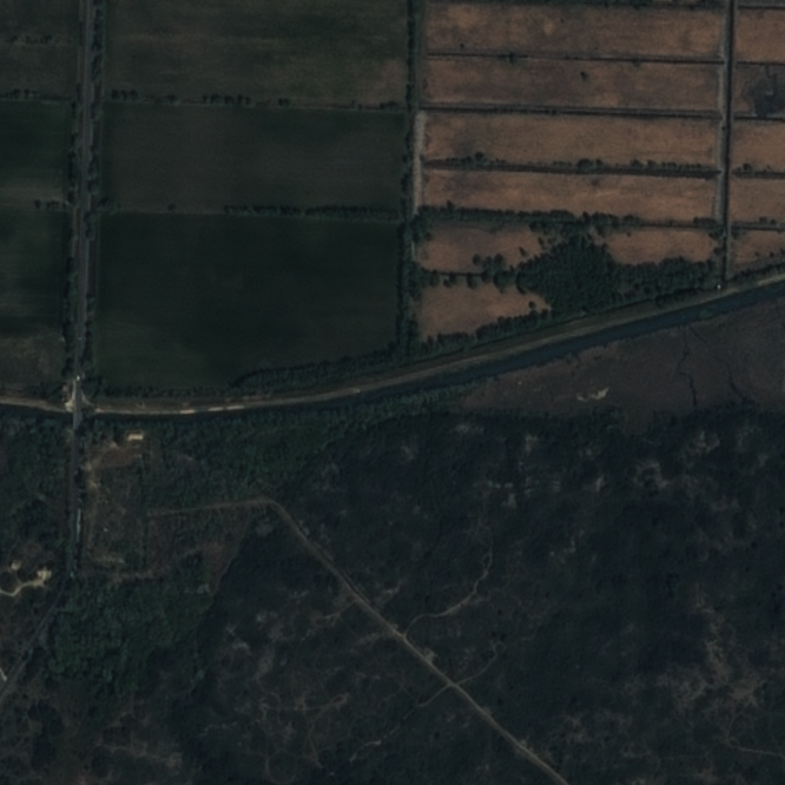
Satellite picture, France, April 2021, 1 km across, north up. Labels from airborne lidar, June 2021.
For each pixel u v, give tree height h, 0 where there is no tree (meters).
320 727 0
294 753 0
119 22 0
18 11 0
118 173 0
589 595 0
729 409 8
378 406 14
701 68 0
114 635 23
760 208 0
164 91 0
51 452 17
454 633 0
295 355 0
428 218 15
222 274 0
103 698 10
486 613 0
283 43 0
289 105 11
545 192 0
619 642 0
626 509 6
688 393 0
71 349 13
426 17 0
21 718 7
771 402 0
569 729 0
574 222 17
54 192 0
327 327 0
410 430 6
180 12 0
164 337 0
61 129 0
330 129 0
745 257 0
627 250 0
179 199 0
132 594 17
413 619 0
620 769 0
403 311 12
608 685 0
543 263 17
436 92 0
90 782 0
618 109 0
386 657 0
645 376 0
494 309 0
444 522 7
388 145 0
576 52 0
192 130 0
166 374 0
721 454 7
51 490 10
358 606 0
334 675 0
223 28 0
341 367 13
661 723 0
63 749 0
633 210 0
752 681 0
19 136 0
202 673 12
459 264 0
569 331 0
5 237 0
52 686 12
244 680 0
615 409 9
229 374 0
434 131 0
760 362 0
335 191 0
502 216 13
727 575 0
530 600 0
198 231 0
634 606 0
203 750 6
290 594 0
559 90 0
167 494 7
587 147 0
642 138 0
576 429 12
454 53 0
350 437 8
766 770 0
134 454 0
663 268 15
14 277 0
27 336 0
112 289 0
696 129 0
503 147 0
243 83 0
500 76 0
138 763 0
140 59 0
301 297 0
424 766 6
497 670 0
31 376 0
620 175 0
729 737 0
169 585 12
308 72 0
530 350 0
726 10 0
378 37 0
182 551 7
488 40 0
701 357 0
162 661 8
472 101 0
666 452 6
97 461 0
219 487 14
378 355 10
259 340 0
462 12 0
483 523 0
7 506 9
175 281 0
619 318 0
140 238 0
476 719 0
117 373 0
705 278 12
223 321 0
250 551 7
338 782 7
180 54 0
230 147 0
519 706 0
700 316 0
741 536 5
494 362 0
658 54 0
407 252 16
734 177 0
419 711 5
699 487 0
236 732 0
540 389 0
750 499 5
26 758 0
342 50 0
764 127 0
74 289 13
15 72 0
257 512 8
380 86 0
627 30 0
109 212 14
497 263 13
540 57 0
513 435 6
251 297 0
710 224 10
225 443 14
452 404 12
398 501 0
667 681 0
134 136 0
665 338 0
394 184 0
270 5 0
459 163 6
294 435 12
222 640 0
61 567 9
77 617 15
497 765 0
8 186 0
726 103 0
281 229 0
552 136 0
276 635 0
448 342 17
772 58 0
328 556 0
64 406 0
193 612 10
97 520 0
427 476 6
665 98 0
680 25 0
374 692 0
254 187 0
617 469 5
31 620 0
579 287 18
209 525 10
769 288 0
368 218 14
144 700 0
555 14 0
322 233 0
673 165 9
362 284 0
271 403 0
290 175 0
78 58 0
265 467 17
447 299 0
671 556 7
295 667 0
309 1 0
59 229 0
